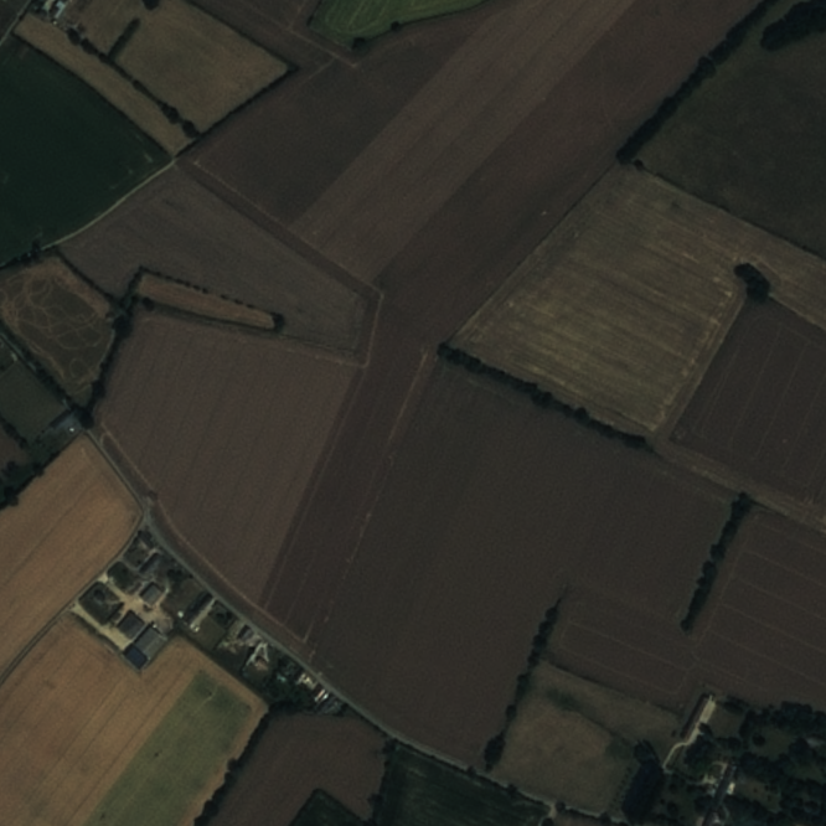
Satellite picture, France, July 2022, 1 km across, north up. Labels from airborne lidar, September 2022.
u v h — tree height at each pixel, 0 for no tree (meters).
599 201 0
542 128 0
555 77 0
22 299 0
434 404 0
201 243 0
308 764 0
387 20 0
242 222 0
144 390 0
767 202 0
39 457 0
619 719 0
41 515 0
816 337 0
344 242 0
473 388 0
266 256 0
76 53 0
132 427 0
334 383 0
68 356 0
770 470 0
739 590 0
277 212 0
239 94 0
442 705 0
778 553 0
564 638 0
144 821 0
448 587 0
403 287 0
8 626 0
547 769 0
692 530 0
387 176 0
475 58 0
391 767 8
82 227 0
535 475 0
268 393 0
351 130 0
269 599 0
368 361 0
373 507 0
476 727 0
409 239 0
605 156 0
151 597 0
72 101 0
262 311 0
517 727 0
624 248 0
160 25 0
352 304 0
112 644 0
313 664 0
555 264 0
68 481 0
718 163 0
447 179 0
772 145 0
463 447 0
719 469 0
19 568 0
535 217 0
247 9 0
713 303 0
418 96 0
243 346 0
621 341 0
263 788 0
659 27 0
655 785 32
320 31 0
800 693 0
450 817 0
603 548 0
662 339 0
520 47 0
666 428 0
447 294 0
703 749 20
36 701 0
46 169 0
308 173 0
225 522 0
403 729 0
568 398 0
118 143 0
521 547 0
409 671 0
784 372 0
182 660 0
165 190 0
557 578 0
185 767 0
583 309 0
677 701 0
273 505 0
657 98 0
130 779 0
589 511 0
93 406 6
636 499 0
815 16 23
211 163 0
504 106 0
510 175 0
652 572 0
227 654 0
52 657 0
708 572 16
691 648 0
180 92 0
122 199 0
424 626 0
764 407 0
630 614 0
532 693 0
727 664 0
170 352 0
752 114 0
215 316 0
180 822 0
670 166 0
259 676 0
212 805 12
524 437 0
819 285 0
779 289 0
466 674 0
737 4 0
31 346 0
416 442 0
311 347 0
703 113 0
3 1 0
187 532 0
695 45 0
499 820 0
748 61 0
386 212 0
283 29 0
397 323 0
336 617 0
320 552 0
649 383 0
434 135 0
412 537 0
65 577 0
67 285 0
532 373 0
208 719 0
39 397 0
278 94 0
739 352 0
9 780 0
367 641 0
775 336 0
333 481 0
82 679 0
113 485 0
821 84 0
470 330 0
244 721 0
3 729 0
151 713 0
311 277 0
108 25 0
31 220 0
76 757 0
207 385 0
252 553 0
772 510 0
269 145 0
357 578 0
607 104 0
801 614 0
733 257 0
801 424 0
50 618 0
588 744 0
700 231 0
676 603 0
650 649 0
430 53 0
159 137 0
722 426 0
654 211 0
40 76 0
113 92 0
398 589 0
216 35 0
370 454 0
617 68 0
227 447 0
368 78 0
